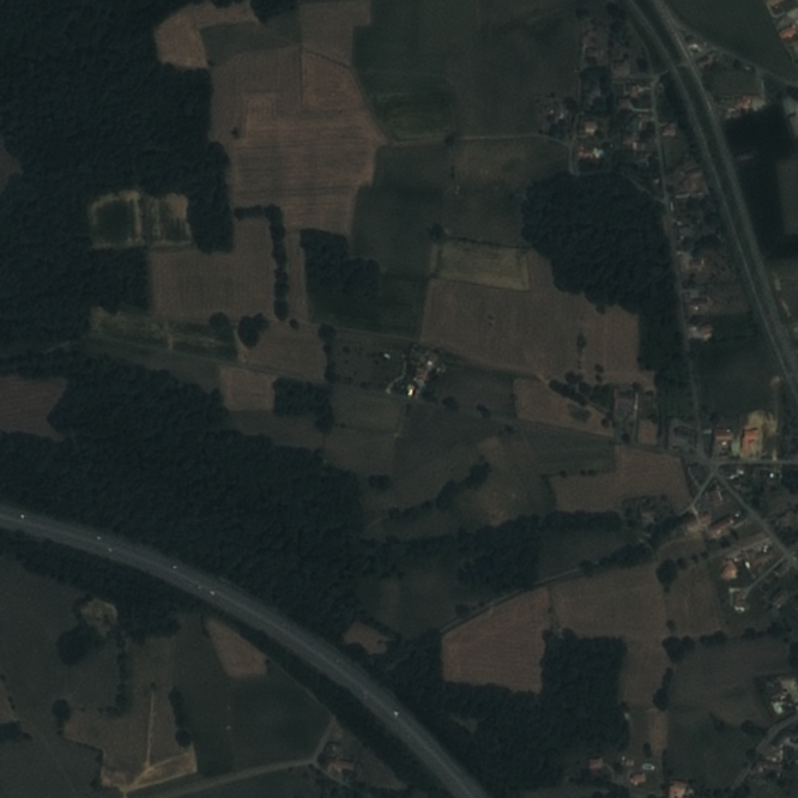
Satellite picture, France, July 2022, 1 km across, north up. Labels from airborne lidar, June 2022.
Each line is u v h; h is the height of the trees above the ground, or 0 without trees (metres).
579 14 12
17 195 19
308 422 0
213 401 22
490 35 0
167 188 20
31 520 0
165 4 19
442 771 0
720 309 0
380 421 0
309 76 0
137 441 24
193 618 0
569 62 0
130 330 0
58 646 9
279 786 0
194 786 0
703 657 0
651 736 0
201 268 0
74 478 29
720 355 0
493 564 27
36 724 0
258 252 0
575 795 0
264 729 0
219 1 18
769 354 0
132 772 0
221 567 22
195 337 0
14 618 0
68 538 0
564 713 24
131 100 24
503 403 0
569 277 24
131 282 6
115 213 0
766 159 0
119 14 31
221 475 23
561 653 9
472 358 0
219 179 13
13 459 25
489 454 0
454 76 0
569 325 0
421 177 0
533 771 22
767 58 0
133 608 12
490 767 24
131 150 17
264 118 0
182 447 21
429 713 16
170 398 24
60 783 0
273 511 25
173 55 0
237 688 0
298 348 0
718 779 0
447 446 0
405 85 0
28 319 18
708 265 0
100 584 16
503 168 0
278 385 13
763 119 0
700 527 0
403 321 0
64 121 21
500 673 0
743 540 0
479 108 0
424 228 0
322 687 18
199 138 13
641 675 0
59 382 0
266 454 24
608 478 0
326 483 24
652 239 22
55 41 33
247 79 0
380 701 0
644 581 0
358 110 0
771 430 0
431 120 0
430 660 14
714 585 0
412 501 0
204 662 0
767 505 0
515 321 0
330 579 21
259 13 16
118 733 0
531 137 0
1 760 0
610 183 18
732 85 0
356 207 0
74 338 14
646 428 0
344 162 0
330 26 0
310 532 32
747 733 15
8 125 20
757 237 0
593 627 0
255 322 14
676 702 0
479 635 0
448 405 15
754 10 0
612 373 0
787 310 0
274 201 0
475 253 0
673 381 8
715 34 0
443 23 0
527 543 29
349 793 12
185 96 20
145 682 0
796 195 0
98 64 28
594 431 0
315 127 0
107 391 25
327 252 18
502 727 27
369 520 0
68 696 0
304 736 0
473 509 0
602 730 22
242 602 0
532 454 0
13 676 0
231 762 0
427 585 0
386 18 0
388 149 0
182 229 0
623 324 0
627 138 0
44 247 25
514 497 0
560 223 14
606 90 18
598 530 15
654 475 0
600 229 11
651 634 0
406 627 0
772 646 0
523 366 0
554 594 0
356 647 14
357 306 0
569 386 6
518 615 0
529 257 0
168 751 0
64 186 19
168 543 27
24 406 0
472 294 0
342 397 0
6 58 21
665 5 0
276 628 0
